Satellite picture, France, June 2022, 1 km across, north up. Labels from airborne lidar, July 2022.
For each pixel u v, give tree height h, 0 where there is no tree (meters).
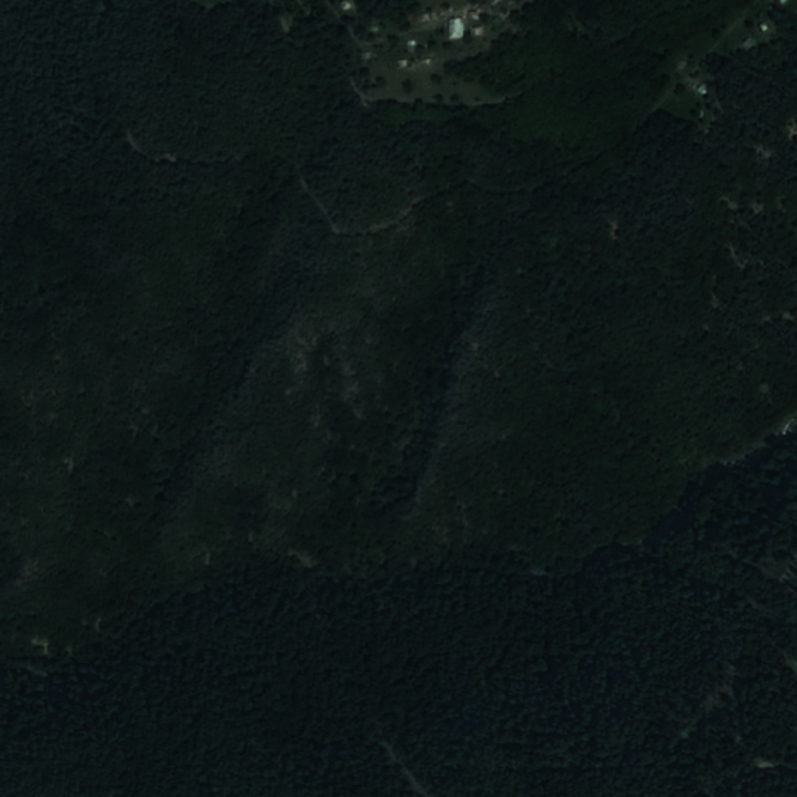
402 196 13
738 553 8
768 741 27
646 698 22
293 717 32
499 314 21
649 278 25
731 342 29
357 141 14
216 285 22
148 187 19
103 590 21
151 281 19
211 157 18
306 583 27
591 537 38
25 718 28
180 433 17
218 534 19
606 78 26
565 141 17
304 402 16
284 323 16
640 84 24
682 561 35
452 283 21
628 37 21
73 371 19
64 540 20
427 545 19
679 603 24
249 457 18
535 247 27
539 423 27
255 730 28
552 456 27
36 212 22
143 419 20
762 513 21
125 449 25
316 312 19
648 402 25
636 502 34
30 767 19
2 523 27
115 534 22
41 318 26
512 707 24
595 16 34
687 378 15
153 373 20
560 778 30
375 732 18
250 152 16
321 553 26
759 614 10
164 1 24
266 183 22
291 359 9
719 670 26
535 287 26
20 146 22
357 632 29
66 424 20
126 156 22
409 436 26
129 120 19
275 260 18
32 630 19
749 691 26
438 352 31
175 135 20
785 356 22
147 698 24
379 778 36
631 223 32
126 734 25
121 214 16
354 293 11
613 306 30
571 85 27
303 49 26
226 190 25
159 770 23
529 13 20
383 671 32
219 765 22
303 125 16
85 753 21
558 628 31
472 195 27
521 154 23
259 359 10
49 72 29
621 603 27
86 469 24
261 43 22
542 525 27
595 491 25
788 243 28
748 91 34
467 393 13
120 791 29
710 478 12
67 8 21
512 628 31
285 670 33
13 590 16
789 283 29
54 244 21
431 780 21
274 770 33
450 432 11
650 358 24
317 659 25
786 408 20
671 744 28
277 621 28
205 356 27
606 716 31
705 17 17
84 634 26
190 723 23
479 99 10
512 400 21
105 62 22
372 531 17
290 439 15
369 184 19
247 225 30
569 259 30
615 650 33
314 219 10
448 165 26
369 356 18
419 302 21
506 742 7
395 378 19
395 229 15
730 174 39
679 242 19
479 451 15
